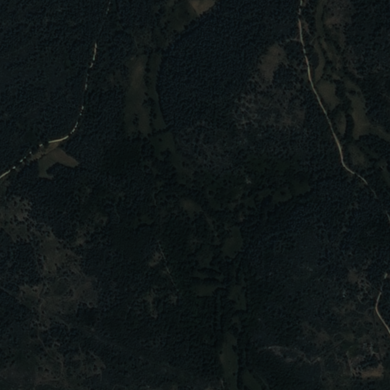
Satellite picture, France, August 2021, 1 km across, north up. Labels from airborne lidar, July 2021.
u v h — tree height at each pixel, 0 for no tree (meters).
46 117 13
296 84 13
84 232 0
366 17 13
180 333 13
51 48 8
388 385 0
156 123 0
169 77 18
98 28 16
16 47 12
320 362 0
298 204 11
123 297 11
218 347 16
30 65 7
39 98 13
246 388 14
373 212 19
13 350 0
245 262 20
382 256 14
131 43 16
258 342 6
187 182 6
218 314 15
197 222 12
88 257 7
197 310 13
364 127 0
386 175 0
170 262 12
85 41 17
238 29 17
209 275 16
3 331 11
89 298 0
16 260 11
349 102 8
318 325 0
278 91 0
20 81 12
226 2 13
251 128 10
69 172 20
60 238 11
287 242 11
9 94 12
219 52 14
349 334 0
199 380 0
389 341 0
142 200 11
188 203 0
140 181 13
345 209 10
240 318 14
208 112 9
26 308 11
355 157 0
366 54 11
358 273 8
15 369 0
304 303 0
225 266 18
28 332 0
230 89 19
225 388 8
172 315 16
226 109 6
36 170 17
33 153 12
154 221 7
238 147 6
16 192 8
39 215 11
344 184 18
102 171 8
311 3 16
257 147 9
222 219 16
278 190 15
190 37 17
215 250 17
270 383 14
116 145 11
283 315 12
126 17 20
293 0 18
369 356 7
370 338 0
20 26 15
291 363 6
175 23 0
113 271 11
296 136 15
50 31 13
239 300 8
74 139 12
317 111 9
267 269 5
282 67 15
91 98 17
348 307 0
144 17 14
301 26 0
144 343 7
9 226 0
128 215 15
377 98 9
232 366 0
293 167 7
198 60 17
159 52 10
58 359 11
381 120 17
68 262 0
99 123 15
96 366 8
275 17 14
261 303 6
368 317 0
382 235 9
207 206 18
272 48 0
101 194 15
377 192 13
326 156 11
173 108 18
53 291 0
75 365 6
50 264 0
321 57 0
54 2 10
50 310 0
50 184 19
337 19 0
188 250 6
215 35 15
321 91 0
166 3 7
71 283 0
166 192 13
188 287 15
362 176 13
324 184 16
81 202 14
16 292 17
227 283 18
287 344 6
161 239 11
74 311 8
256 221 16
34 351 0
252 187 9
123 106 14
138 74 0
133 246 15
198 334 8
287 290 0
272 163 7
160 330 12
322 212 9
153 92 0
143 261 15
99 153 14
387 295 16
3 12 15
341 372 0
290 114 0
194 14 0
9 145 14
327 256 15
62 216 6
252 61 17
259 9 15
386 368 0
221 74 13
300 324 7
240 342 17
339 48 8
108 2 8
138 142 15
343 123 0
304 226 15
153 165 14
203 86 14
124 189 15
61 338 8
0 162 16
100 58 14
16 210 0
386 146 16
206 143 6
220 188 6
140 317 11
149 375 0
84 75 13
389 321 11
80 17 17
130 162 9
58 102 14
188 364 8
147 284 15
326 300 7
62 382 0
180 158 0
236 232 0
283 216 16
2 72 0
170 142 0
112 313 11
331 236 16
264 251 12
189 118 16
